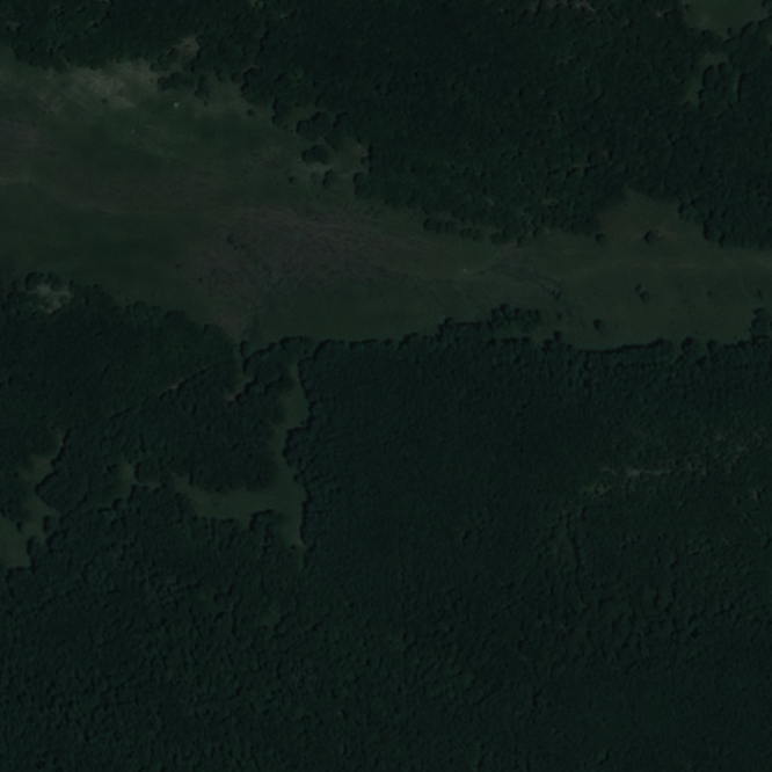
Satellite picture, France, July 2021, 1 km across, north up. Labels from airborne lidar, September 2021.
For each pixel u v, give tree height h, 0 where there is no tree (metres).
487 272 0
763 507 15
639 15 17
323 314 0
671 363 20
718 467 13
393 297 0
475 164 18
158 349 17
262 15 25
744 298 0
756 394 13
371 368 17
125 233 0
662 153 22
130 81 0
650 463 12
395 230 0
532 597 19
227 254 0
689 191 23
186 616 18
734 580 16
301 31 21
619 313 0
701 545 19
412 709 17
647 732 14
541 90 21
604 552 15
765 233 15
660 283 0
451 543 18
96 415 21
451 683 19
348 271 0
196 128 0
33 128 0
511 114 23
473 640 10
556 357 27
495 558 18
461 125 22
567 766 12
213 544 21
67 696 18
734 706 14
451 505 17
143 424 21
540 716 19
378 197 19
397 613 18
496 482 18
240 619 20
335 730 21
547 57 18
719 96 20
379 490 19
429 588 17
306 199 0
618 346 0
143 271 0
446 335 18
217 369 19
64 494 22
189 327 17
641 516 14
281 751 19
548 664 11
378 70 24
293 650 21
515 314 15
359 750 19
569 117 24
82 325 22
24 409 22
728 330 0
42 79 0
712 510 20
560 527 18
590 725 11
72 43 23
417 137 24
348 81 21
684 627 21
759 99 18
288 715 22
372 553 15
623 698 16
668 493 12
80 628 17
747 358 24
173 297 0
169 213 0
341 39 21
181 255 0
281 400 21
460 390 20
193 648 11
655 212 0
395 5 21
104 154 0
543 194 19
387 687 22
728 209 21
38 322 22
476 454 18
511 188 21
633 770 17
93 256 0
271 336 0
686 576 18
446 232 16
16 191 0
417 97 25
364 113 25
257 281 0
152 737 17
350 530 17
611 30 23
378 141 21
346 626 17
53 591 20
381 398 15
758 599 18
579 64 17
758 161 23
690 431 9
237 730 20
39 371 24
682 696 15
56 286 9
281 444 0
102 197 0
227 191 0
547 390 13
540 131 23
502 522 16
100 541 20
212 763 20
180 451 19
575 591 19
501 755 18
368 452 15
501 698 16
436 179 20
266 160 0
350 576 19
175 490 20
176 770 18
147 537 21
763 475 19
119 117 0
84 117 0
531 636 18
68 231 0
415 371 17
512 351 27
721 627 21
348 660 10
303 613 19
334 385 17
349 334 0
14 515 22
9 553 0
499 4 16
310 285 0
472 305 0
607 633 20
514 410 13
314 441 11
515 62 15
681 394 16
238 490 21
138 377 20
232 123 0
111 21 20
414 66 22
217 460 19
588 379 15
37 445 23
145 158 0
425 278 0
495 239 12
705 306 0
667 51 23
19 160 0
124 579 21
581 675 17
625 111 22
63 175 0
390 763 17
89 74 0
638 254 0
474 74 22
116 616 17
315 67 24
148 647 6
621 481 14
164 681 17
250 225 0
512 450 17
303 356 23
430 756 18
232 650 20
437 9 20
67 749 26
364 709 23
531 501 17
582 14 23
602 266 0
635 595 18
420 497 16
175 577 15
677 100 19
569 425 16
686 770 19
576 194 22
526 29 22
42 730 25
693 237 0
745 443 7
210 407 19
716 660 18
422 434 15
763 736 14
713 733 13
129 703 8
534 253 0
